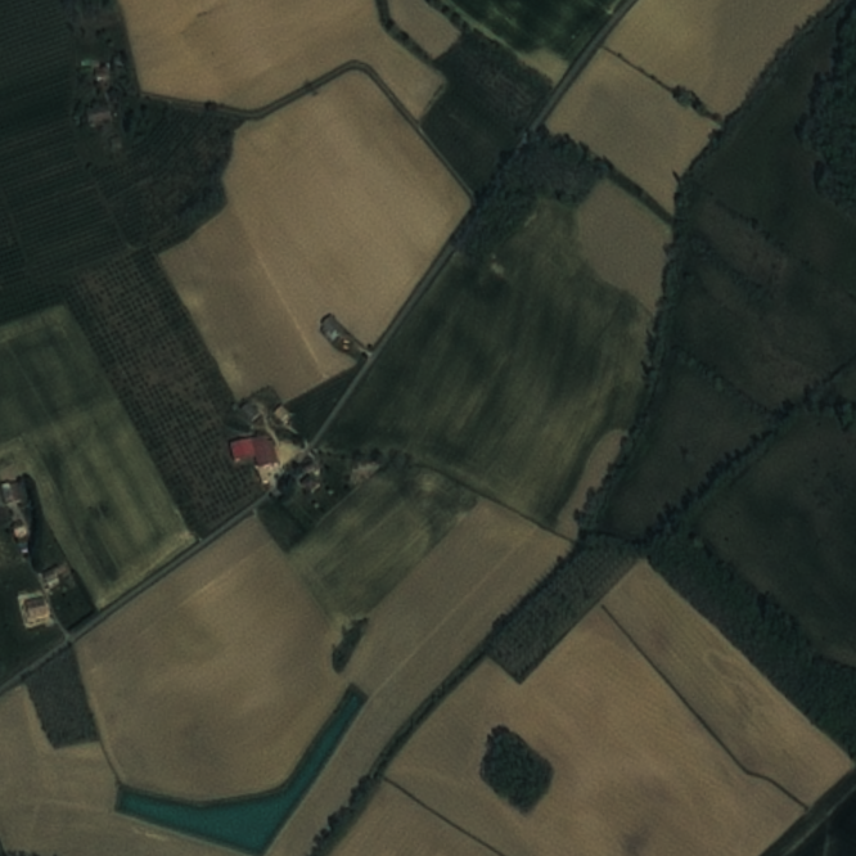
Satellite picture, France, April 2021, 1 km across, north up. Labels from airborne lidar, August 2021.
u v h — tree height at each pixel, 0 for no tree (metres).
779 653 14
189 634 0
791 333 0
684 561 12
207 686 0
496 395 0
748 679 0
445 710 0
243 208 0
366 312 0
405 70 0
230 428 0
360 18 0
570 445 0
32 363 0
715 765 0
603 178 17
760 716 0
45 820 0
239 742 0
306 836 0
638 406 0
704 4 0
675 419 0
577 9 0
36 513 15
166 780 0
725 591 13
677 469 0
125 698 0
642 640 0
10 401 0
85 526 0
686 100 21
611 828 0
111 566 0
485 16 0
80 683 8
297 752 0
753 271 0
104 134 14
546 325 0
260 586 0
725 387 15
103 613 0
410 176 0
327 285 0
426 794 0
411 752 0
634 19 0
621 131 0
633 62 0
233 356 0
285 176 0
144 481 0
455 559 0
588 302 0
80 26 13
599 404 0
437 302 0
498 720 0
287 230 0
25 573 0
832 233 0
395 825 0
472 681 0
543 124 0
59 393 0
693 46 0
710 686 0
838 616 0
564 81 0
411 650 0
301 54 0
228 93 0
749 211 0
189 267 0
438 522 0
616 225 0
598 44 0
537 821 0
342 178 0
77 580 7
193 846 0
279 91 0
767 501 0
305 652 0
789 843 0
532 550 0
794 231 0
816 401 20
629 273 0
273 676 0
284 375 0
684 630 0
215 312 0
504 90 10
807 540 0
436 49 0
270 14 0
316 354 0
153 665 0
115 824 0
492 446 0
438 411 0
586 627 0
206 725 0
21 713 0
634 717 0
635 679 0
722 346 0
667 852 0
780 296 0
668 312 10
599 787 0
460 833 0
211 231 0
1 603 0
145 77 0
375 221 0
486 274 0
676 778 0
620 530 0
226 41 0
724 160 0
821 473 0
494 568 0
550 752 0
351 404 0
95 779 0
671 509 0
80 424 0
